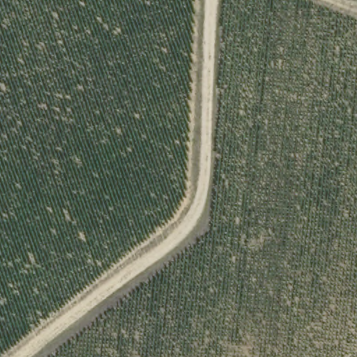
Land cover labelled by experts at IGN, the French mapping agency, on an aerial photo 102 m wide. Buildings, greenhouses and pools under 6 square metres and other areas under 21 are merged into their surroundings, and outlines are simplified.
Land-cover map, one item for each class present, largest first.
<instances>
[{"label":"vineyard","instance_id":"1","mask_svg":"<svg viewBox=\"0 0 357 357\"><path fill-rule=\"evenodd\" d=\"M194 0H0V356L35 329L40 319H46L50 312L60 310L75 294L99 278L135 245L142 243L156 227L165 225L183 201L187 181V141L190 128L188 102L191 92ZM212 172L206 202L209 204L208 230L195 238V243L190 247H183L180 243L169 252L173 255L172 261L163 265L152 279L139 283L126 296H121L116 308H106L105 311L99 312L91 325L82 326L77 335L60 344L56 353L47 357H357V18L314 3L312 0H219L213 81Z\"/></svg>","mask_w":357,"mask_h":357},{"label":"herbaceous vegetation","instance_id":"2","mask_svg":"<svg viewBox=\"0 0 357 357\"><path fill-rule=\"evenodd\" d=\"M191 92L188 102L190 128L187 141V181L183 201L165 225L156 227L142 243L135 245L99 278L75 294L60 310L50 312L46 319H40L35 329L0 356V357H10L33 336L45 331L47 326L52 325L63 315V312L84 301L89 294L109 282L126 266L144 257L156 245L165 241L190 212L197 195L201 156L205 0H194ZM314 3L357 18V0H312ZM209 204L206 202L197 225L180 243L183 247H190L195 243V238L208 230ZM173 255L169 252L165 257L153 262L145 271L138 273L135 278L128 280L105 300L100 301L60 335L53 337L32 357H47L56 353L60 344L77 335L82 326L91 325L99 312L105 311L106 308H116L121 296H126L139 283L152 279L163 265L172 261Z\"/></svg>","mask_w":357,"mask_h":357},{"label":"pervious surface","instance_id":"3","mask_svg":"<svg viewBox=\"0 0 357 357\"><path fill-rule=\"evenodd\" d=\"M219 0H205L201 156L197 195L190 212L165 241L156 245L144 257L126 266L109 282L89 294L84 301L63 312V315L52 325L47 326L45 331L33 336L10 357H32L53 337L60 335L100 301L105 300L128 280L135 278L138 273L145 271L153 262L165 257L169 252L180 243L197 225L206 202L212 172L213 81Z\"/></svg>","mask_w":357,"mask_h":357}]
</instances>
